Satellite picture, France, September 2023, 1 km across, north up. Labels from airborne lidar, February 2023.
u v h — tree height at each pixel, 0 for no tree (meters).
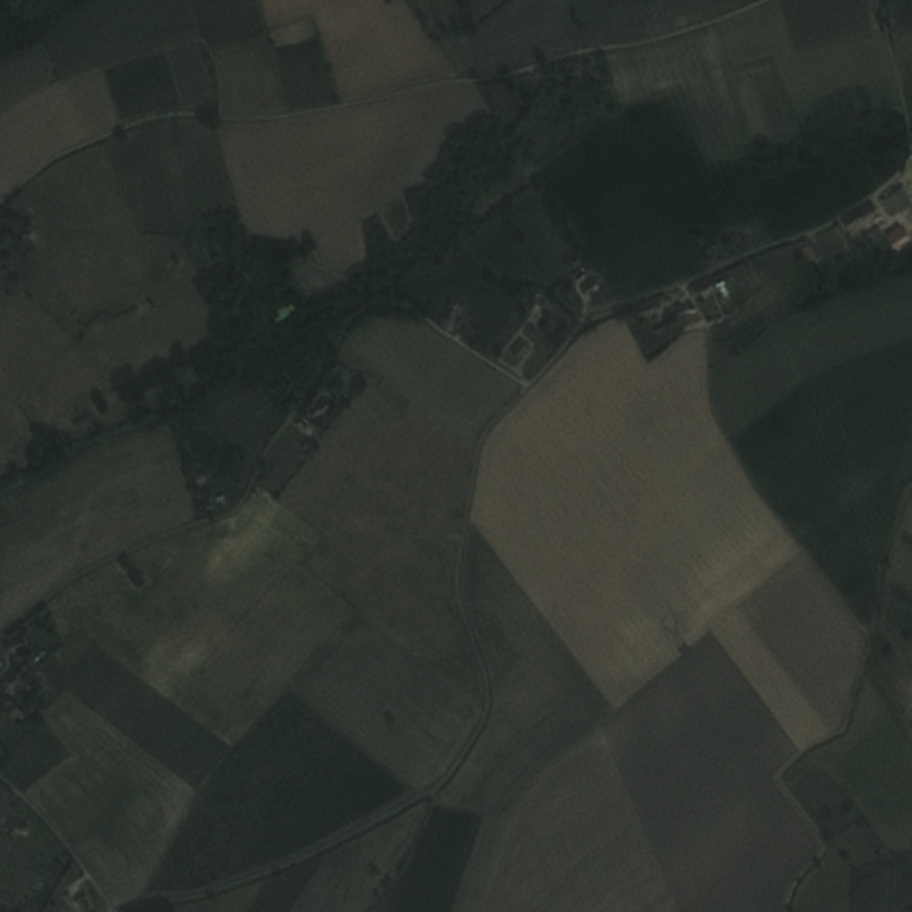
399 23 0
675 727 0
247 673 0
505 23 0
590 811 0
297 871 0
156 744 0
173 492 0
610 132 0
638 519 0
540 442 0
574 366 0
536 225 0
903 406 0
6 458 0
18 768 0
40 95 0
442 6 0
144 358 0
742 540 0
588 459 0
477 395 0
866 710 0
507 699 0
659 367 0
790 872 0
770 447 0
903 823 0
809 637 0
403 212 0
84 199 0
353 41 0
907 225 0
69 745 0
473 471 0
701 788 0
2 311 0
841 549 0
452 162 8
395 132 0
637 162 0
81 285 0
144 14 0
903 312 0
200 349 10
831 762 0
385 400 0
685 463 0
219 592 0
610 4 0
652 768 0
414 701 0
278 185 0
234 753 0
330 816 0
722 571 0
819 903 0
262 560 0
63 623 0
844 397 0
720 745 0
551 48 0
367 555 0
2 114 0
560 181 0
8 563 0
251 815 0
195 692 0
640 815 0
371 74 0
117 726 0
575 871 0
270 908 0
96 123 0
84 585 0
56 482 0
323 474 0
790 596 0
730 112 0
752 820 0
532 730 0
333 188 0
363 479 0
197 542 0
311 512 0
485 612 0
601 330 0
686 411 0
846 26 0
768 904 0
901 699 0
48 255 0
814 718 0
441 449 0
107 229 0
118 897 0
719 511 0
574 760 0
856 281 17
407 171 0
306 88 0
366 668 0
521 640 0
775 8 0
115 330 0
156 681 0
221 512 0
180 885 0
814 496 0
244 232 12
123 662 0
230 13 0
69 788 0
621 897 0
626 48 0
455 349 0
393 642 0
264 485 0
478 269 0
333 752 0
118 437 0
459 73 0
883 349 0
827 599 0
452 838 0
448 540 0
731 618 0
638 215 0
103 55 0
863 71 0
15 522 0
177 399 7
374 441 0
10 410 0
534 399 0
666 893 0
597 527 0
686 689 0
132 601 0
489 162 11
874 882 0
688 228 0
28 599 0
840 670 0
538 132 0
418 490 0
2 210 9
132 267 0
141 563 0
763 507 0
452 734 0
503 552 0
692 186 0
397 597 0
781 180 0
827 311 0
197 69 0
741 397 0
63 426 0
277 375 16
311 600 0
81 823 0
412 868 0
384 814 0
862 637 0
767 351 0
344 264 0
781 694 0
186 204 0
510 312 0
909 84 0
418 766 0
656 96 0
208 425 0
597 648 0
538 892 0
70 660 0
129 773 0
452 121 0
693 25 0
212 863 0
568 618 0
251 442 0
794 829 0
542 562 0
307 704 0
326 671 0
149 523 0
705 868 0
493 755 0
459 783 0
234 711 0
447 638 0
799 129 0
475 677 0
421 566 0
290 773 0
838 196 0
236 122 0
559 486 0
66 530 0
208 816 0
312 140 0
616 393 0
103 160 0
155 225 0
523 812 0
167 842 0
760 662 0
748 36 0
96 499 0
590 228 0
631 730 0
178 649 0
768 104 0
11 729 0
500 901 0
